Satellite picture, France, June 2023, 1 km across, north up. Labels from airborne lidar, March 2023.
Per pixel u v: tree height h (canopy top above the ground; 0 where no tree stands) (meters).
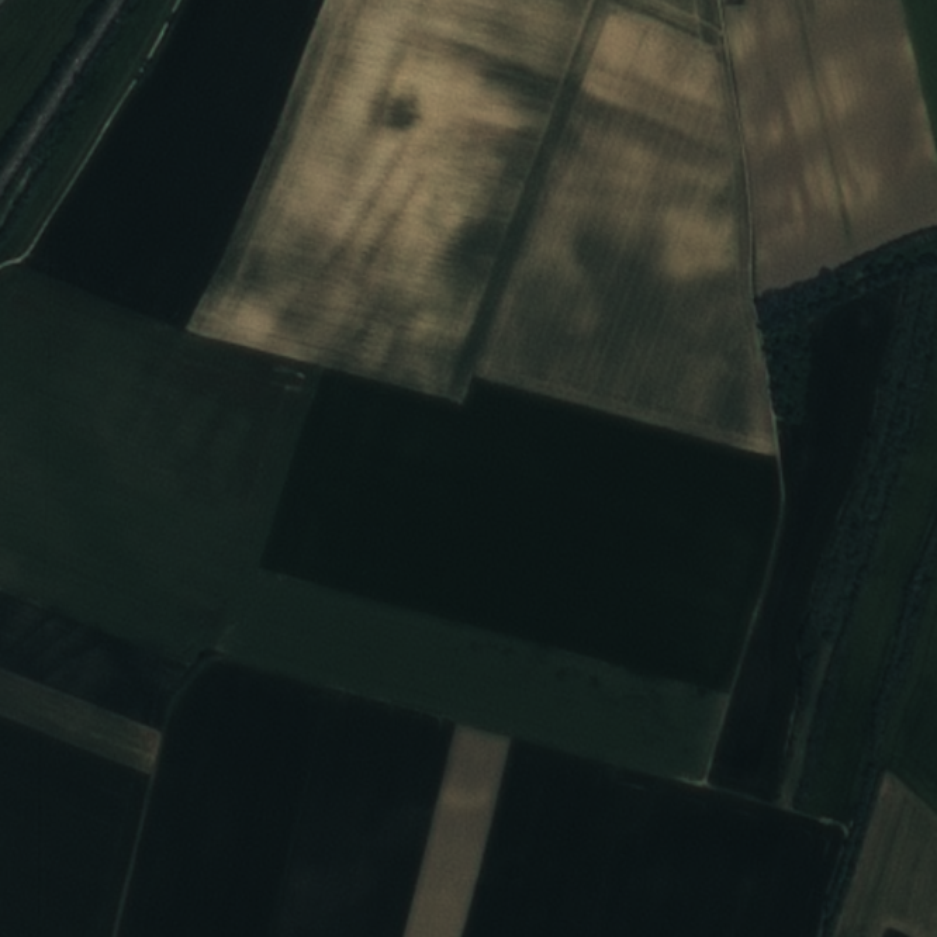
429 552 0
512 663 0
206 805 0
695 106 0
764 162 0
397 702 0
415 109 0
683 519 0
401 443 0
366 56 0
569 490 0
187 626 0
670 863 0
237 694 0
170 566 0
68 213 0
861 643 0
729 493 0
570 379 0
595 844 0
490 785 0
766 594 0
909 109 0
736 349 0
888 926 0
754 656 0
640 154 0
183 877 0
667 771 0
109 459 0
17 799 0
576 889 0
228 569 0
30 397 0
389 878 0
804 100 0
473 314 0
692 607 0
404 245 0
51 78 9
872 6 0
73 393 0
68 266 0
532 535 0
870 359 0
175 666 0
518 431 0
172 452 0
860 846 8
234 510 0
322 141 0
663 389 0
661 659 0
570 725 0
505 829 0
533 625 0
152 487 0
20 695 0
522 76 0
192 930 0
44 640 0
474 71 0
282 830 0
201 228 0
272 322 0
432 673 0
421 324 0
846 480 0
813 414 0
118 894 0
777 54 0
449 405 0
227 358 0
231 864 0
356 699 0
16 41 0
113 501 0
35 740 0
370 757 0
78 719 0
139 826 0
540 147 0
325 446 0
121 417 0
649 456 0
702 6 0
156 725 0
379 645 0
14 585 0
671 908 0
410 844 0
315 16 0
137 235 0
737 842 0
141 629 0
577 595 0
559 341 0
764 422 0
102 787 0
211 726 0
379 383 0
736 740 0
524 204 0
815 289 12
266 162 0
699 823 0
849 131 0
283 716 0
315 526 0
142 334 0
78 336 0
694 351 0
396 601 0
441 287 0
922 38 0
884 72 0
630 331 0
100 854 0
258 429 0
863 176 0
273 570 0
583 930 0
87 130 0
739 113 0
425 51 0
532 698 0
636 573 0
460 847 0
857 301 0
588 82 0
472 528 0
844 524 7
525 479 0
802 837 0
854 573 6
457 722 0
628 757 0
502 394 0
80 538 0
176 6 0
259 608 0
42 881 0
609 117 0
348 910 0
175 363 0
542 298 0
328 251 0
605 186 0
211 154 0
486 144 0
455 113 0
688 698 0
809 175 0
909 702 0
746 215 0
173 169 0
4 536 0
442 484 0
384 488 0
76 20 0
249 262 0
